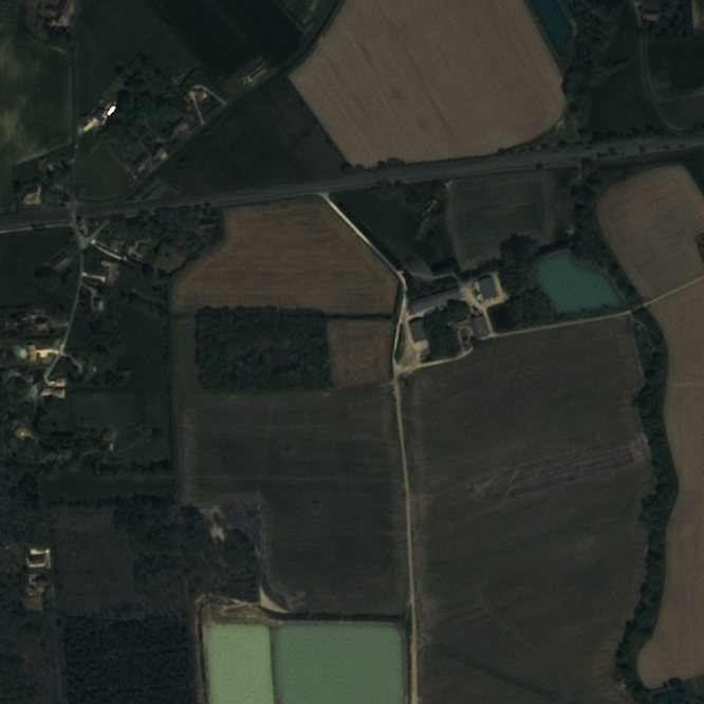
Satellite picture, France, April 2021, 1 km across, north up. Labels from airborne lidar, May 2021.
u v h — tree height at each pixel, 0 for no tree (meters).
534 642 0
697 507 0
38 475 6
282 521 0
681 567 0
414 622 0
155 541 26
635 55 0
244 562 17
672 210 0
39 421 14
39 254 0
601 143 19
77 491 0
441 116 0
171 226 16
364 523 0
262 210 0
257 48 0
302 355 18
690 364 0
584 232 20
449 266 14
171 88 10
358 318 7
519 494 0
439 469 0
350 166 9
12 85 0
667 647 0
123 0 0
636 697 14
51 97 0
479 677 0
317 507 0
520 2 0
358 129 0
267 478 0
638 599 0
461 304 11
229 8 0
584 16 14
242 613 0
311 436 0
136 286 0
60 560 11
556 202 0
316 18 0
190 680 12
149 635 16
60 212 0
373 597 0
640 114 0
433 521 0
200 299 0
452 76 0
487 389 0
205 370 17
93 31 0
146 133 12
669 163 0
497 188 0
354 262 0
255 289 0
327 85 0
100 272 0
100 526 12
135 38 0
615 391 0
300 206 0
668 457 11
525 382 0
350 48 0
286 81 6
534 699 0
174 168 0
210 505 0
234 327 22
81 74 0
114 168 0
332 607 0
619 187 0
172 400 7
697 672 0
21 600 6
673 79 0
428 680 0
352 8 0
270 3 0
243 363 7
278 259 0
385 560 0
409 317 0
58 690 11
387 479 0
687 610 0
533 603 0
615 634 0
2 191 0
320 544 0
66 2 0
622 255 0
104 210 0
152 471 12
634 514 0
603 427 0
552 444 0
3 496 16
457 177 0
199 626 0
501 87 0
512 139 0
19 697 22
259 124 0
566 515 0
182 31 0
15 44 0
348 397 0
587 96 16
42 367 0
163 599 13
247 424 0
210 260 0
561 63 0
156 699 14
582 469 0
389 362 0
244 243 0
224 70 0
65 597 11
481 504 0
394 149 0
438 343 18
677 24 13
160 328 0
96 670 16
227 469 0
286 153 0
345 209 10
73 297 0
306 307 0
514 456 0
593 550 0
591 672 0
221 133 0
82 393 0
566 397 0
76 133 0
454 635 0
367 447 0
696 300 0
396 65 0
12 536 17
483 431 0
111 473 10
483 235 0
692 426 0
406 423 0
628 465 0
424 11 0
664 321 0
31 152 0
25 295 0
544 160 0
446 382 0
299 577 0
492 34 0
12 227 0
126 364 0
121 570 11
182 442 0
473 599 0
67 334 0
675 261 0
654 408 13
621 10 26
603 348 0
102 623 13
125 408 0
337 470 0
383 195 15
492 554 0
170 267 0
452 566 0
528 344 0
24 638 18
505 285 15
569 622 0
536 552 0
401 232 0
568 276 0
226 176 0
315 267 0
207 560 18
